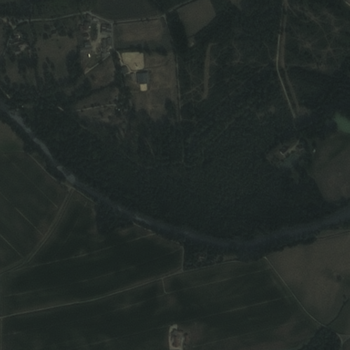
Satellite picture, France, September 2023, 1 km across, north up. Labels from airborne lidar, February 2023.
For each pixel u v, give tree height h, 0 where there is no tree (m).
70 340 0
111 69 0
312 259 0
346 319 0
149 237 0
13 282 0
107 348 0
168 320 0
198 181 12
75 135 12
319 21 0
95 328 0
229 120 14
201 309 0
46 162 12
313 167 0
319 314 0
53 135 18
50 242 0
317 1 7
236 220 20
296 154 0
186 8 0
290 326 0
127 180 9
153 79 0
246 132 14
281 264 0
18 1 0
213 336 0
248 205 17
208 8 0
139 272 0
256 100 7
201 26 0
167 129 21
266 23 15
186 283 0
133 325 0
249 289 0
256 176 14
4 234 0
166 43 0
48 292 0
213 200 10
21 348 0
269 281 0
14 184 0
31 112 0
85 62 0
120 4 0
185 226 17
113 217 22
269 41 6
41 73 0
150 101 0
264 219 16
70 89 0
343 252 0
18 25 6
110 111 0
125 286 0
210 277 0
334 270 0
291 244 13
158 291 0
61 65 0
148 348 0
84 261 0
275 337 0
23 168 0
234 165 10
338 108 20
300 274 0
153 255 0
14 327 0
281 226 18
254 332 0
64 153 9
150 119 16
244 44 12
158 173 20
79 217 0
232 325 0
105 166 14
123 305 0
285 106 14
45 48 0
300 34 0
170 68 0
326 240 0
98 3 0
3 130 0
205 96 0
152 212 17
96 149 14
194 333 0
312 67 0
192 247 21
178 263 0
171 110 11
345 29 0
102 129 32
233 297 0
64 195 0
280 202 17
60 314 0
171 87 0
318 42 0
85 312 0
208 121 19
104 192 19
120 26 0
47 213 0
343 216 0
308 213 20
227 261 0
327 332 7
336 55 0
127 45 0
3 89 20
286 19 0
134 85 0
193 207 15
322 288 0
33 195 0
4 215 0
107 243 0
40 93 23
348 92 15
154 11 0
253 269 0
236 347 0
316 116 18
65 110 22
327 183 0
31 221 0
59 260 0
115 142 19
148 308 0
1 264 0
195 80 0
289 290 0
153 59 0
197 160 17
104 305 0
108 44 0
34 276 0
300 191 20
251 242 0
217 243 0
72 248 0
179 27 12
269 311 0
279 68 0
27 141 23
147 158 19
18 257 0
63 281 0
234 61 0
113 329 0
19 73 7
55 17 6
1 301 0
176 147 9
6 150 0
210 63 0
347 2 0
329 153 0
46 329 0
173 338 0
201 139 11
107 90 0
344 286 0
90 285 0
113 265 0
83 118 0
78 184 0
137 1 0
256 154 14
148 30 0
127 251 0
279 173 16
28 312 0
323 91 10
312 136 19
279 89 14
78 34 0
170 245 0
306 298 0
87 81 11
